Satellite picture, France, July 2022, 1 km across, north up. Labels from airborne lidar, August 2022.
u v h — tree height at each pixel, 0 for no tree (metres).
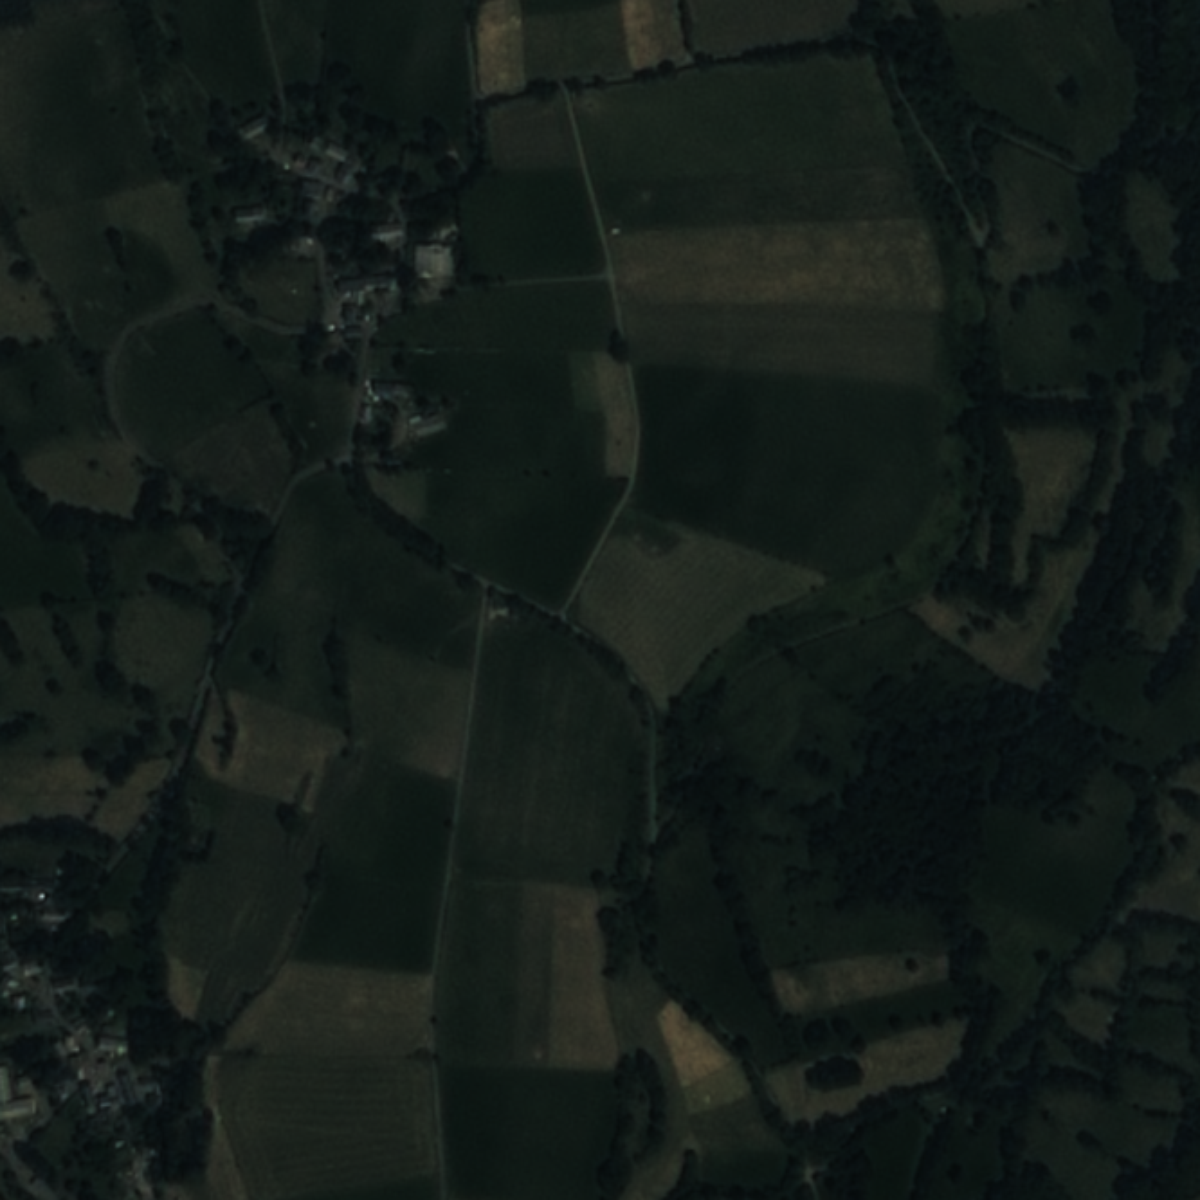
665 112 0
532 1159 0
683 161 0
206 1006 0
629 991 0
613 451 0
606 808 0
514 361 0
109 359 0
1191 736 0
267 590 0
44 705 0
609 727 0
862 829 10
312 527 0
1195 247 25
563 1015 0
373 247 10
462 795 0
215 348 0
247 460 0
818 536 0
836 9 0
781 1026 8
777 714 0
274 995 0
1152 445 0
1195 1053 8
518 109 0
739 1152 0
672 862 0
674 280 0
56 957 15
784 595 0
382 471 9
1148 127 18
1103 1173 0
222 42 0
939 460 0
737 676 0
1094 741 9
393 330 0
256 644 0
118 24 0
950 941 7
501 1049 0
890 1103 15
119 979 19
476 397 0
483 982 0
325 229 12
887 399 0
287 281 0
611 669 11
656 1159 0
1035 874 0
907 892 29
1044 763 22
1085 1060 15
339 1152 0
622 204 0
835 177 0
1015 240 0
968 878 18
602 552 0
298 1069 0
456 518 0
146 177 0
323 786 0
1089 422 20
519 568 0
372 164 14
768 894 0
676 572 0
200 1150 19
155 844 0
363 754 0
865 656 0
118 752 0
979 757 16
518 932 0
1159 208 0
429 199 6
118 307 0
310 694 0
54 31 0
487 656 0
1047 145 7
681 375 0
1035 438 0
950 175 11
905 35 15
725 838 18
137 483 0
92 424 0
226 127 14
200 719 6
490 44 0
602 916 10
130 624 0
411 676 0
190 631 0
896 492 0
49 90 0
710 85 0
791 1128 9
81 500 0
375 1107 0
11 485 13
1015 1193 13
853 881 6
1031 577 7
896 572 8
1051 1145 0
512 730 0
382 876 0
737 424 0
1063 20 0
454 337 0
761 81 0
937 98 6
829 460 0
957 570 18
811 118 0
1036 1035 14
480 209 0
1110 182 21
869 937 0
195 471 0
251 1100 0
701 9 0
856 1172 16
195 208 9
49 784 0
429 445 0
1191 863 0
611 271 0
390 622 0
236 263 12
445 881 0
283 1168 0
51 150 0
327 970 0
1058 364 0
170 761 7
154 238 0
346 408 0
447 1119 0
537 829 0
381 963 0
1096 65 0
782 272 0
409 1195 0
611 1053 0
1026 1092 21
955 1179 13
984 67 0
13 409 0
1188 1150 21
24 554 0
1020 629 0
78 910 10
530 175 0
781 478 0
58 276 0
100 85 0
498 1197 0
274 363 0
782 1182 6
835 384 0
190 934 0
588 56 0
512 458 0
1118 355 0
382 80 0
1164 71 17
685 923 0
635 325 0
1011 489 10
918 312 0
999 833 0
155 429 0
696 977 0
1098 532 11
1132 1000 14
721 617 0
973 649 0
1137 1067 16
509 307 0
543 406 0
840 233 0
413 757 0
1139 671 0
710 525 0
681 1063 0
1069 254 0
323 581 0
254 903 0
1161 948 0
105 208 0
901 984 0
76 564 0
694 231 0
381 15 0
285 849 0
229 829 0
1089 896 0
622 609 0
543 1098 0
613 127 0
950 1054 0
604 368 0
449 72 0
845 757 0
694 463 0
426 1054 0
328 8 0
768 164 0
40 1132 7
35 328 0
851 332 0
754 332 0
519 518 0
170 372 0
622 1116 10
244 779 0
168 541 0
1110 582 16
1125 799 0
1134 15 19
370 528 0
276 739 0
